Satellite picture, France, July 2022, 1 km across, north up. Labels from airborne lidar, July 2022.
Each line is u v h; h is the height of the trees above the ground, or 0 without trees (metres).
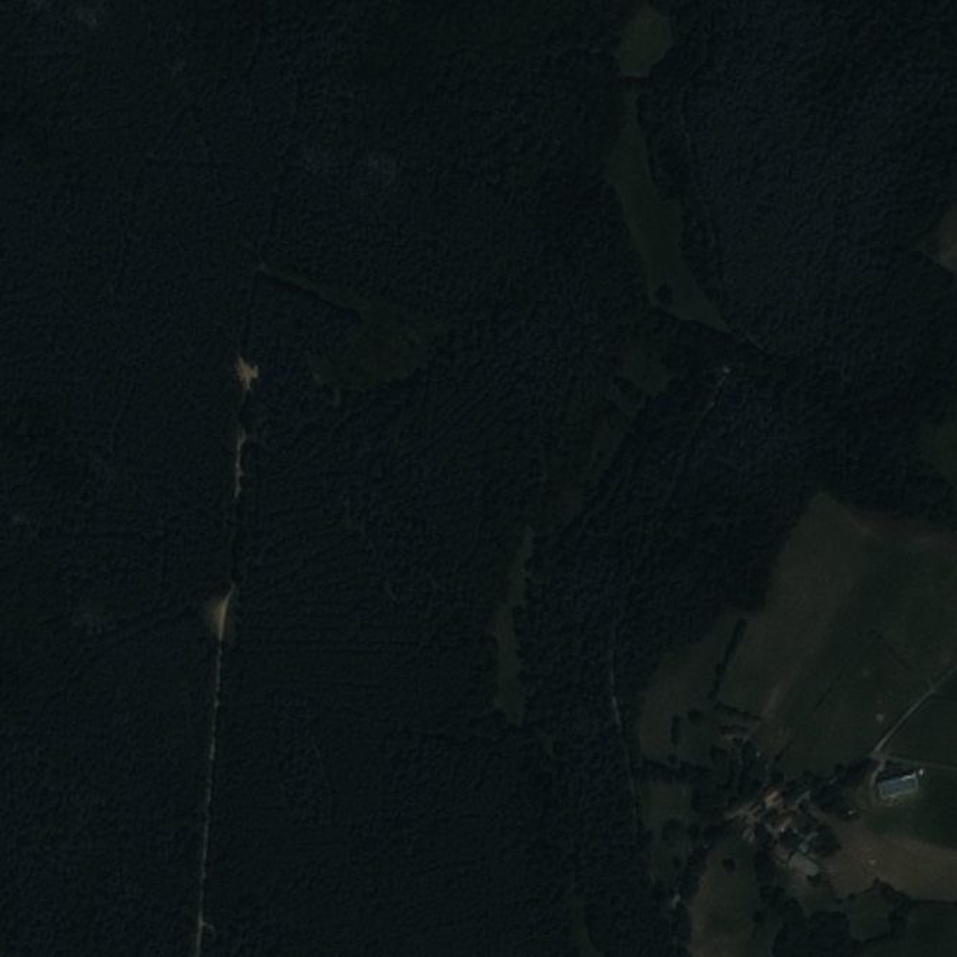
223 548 6
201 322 19
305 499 18
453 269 24
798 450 11
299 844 16
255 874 17
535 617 21
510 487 22
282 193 13
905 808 0
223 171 26
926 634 0
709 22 9
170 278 21
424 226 22
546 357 22
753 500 22
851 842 0
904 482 22
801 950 20
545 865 22
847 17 11
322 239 22
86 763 20
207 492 23
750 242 22
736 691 0
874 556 0
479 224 27
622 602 15
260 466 19
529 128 19
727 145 19
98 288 22
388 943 18
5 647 23
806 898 0
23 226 19
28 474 21
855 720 0
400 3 18
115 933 31
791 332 24
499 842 18
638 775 19
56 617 19
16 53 11
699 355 23
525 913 18
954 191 18
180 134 22
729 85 20
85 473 15
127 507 23
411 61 18
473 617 23
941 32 21
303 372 30
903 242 11
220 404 23
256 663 17
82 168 16
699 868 15
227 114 24
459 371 20
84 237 24
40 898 22
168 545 19
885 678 0
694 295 0
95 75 19
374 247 22
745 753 7
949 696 0
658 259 0
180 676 25
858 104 8
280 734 27
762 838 14
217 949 18
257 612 16
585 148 21
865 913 0
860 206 17
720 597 16
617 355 13
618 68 14
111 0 20
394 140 16
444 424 16
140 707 22
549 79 24
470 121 14
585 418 22
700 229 14
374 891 18
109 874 22
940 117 15
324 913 19
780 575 0
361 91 17
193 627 27
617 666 11
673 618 17
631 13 23
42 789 11
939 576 0
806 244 19
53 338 20
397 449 25
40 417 25
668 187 13
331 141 26
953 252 0
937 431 0
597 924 24
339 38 26
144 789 20
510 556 18
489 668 18
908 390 22
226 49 23
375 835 16
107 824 17
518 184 10
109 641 23
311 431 30
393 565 25
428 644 16
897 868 0
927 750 0
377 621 15
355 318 27
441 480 18
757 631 0
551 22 18
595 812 15
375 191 22
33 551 23
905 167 16
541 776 29
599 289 20
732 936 0
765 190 19
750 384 8
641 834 10
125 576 23
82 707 20
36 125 20
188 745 23
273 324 24
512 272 18
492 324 9
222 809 14
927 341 19
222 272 20
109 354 19
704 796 20
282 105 26
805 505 13
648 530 10
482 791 18
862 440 21
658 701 0
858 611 0
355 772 17
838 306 13
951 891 0
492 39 18
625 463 21
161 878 17
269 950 14
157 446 23
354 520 16
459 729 25
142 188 19
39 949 22
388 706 20
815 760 0
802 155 17
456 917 18
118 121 19
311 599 15
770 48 22
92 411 21
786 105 22
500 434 17
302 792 26
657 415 22
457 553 20
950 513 14
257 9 19
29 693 19
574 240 20
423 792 28
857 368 12
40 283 22
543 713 21
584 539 20
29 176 19
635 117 0
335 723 18
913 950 0
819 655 0
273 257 21
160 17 23
